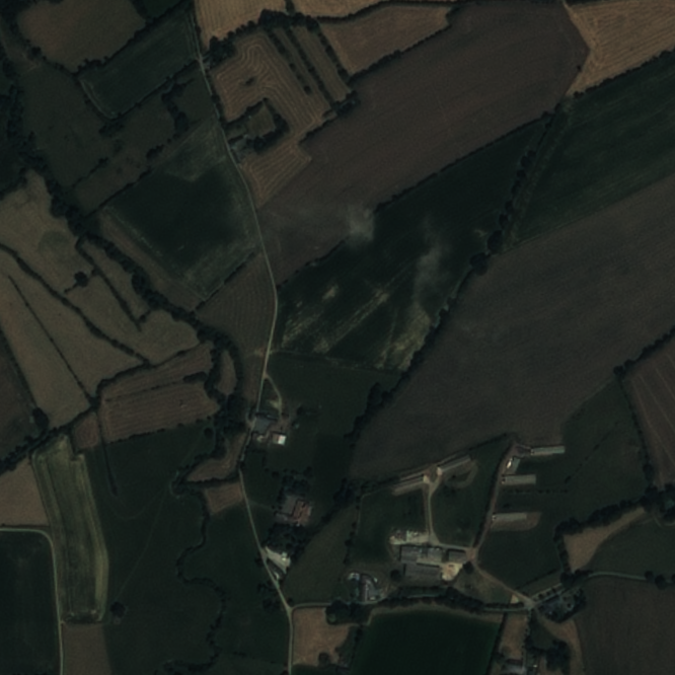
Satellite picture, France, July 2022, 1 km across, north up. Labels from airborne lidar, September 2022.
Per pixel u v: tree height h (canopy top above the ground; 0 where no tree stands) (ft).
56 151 0
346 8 0
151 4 0
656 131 0
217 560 0
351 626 0
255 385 0
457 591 20
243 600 0
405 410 0
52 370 0
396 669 0
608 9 0
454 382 0
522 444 0
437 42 0
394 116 0
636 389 0
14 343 0
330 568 0
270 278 0
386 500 0
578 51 0
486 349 0
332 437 0
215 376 24
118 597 0
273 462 0
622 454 0
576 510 0
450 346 0
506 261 0
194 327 26
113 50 0
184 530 0
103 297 0
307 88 28
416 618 0
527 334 0
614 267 0
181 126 47
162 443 0
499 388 0
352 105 45
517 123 0
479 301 0
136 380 0
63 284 0
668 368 0
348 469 0
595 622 0
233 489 0
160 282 0
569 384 0
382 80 0
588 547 0
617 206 0
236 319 0
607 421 0
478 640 0
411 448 0
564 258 0
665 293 0
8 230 0
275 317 0
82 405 0
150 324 0
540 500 0
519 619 0
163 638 0
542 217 0
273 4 0
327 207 0
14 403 0
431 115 0
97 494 0
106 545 0
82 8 0
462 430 0
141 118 0
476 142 0
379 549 0
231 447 0
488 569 0
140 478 0
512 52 0
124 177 0
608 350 0
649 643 0
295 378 0
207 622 0
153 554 0
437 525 0
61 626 0
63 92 0
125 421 0
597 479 0
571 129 0
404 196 22
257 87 0
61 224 0
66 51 0
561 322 0
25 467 0
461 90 0
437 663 0
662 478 0
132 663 0
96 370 0
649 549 0
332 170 0
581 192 0
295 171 0
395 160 0
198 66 21
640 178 0
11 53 0
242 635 0
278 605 24
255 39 0
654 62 21
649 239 0
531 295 0
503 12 0
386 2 19
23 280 0
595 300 0
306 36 0
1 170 0
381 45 0
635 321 0
